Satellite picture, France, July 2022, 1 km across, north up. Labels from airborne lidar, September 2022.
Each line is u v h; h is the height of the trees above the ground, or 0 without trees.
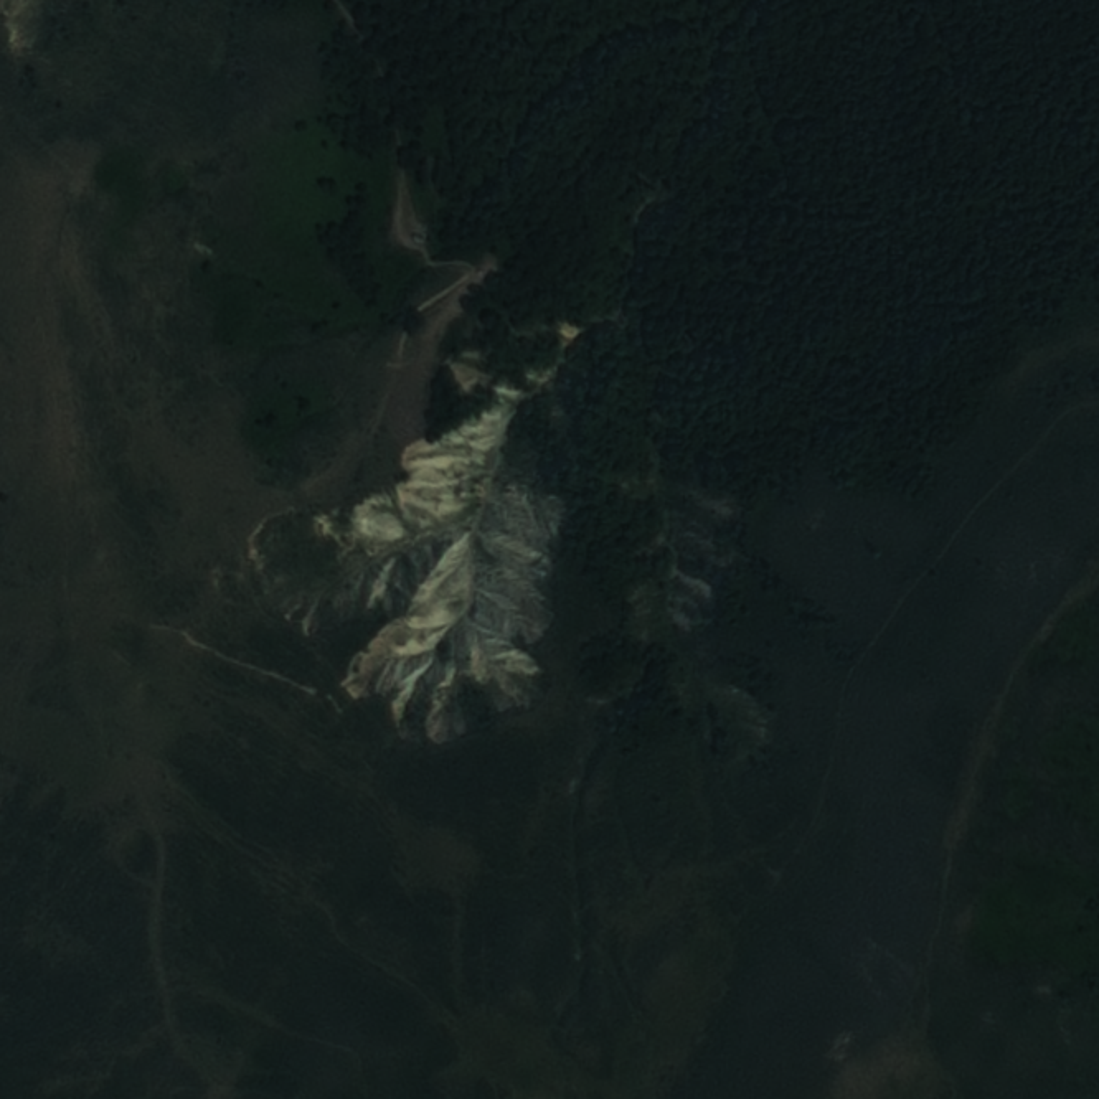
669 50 27
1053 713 0
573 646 0
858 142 18
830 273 16
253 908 0
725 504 0
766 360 29
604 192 25
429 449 0
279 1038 0
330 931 0
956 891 0
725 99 21
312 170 0
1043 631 0
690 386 13
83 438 0
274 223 0
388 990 0
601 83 22
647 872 0
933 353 18
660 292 21
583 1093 0
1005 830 0
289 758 0
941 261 11
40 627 0
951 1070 0
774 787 0
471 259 0
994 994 0
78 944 0
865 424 20
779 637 0
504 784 0
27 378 0
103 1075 0
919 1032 0
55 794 0
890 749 0
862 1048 0
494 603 0
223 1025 0
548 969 0
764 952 0
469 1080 0
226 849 0
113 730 0
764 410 20
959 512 0
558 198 16
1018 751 0
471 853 0
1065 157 17
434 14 21
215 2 0
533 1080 0
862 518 0
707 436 11
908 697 0
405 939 0
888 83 10
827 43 15
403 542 0
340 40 10
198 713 0
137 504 0
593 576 12
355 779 0
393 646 0
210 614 0
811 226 9
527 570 0
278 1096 0
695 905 0
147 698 0
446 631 0
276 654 0
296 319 0
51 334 0
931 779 0
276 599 0
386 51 17
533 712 0
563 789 0
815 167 19
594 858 0
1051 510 0
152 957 0
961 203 17
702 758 0
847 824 0
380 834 0
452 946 0
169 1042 0
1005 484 0
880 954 0
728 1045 0
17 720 0
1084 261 12
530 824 0
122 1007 0
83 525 0
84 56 0
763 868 0
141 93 0
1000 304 15
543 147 10
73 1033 0
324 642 0
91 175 0
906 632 0
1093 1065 0
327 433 0
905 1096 0
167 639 0
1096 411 0
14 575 0
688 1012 0
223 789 0
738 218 15
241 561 0
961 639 0
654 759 0
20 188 0
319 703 0
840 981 0
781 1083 0
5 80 0
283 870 0
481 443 0
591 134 24
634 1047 0
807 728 0
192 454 0
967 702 0
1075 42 14
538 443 12
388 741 0
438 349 0
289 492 0
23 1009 0
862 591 0
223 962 0
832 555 0
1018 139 20
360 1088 0
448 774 0
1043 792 0
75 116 0
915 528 0
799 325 19
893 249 11
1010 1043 0
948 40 17
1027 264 13
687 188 16
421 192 0
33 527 0
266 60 0
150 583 0
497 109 18
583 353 7
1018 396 0
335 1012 0
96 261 0
